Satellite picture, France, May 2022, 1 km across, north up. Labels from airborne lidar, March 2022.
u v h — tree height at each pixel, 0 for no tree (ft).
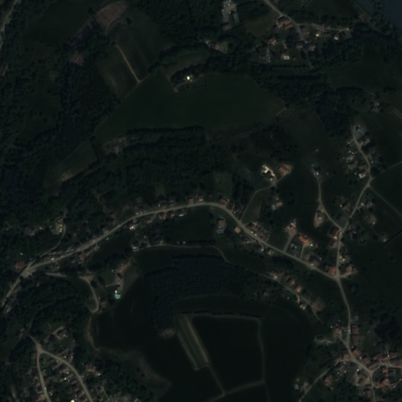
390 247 0
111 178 91
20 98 68
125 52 0
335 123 62
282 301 0
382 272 0
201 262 51
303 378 0
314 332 0
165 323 43
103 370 32
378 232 0
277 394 0
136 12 0
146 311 0
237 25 0
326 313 0
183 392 0
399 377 0
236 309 0
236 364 0
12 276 66
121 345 0
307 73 0
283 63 0
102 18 0
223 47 0
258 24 0
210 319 0
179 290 42
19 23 28
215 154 36
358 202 0
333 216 22
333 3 0
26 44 0
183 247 0
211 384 0
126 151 54
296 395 0
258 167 0
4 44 29
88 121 27
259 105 0
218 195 0
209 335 0
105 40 76
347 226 0
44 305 64
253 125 0
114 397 0
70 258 0
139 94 0
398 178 0
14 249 42
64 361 0
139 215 0
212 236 0
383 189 0
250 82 0
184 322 0
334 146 0
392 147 0
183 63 0
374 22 36
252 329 0
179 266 45
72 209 73
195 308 0
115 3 0
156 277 47
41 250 28
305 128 0
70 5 0
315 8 0
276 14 0
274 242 0
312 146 0
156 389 0
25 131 0
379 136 0
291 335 0
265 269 0
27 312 67
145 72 0
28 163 85
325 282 0
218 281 45
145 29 0
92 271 56
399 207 0
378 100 60
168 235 0
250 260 0
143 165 73
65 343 0
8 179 87
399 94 0
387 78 0
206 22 52
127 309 0
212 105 0
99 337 0
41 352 0
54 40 0
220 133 0
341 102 101
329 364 20
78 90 98
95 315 0
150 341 0
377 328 0
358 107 0
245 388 0
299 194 0
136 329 0
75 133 44
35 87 0
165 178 88
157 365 0
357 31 75
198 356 0
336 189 0
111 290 0
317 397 0
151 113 0
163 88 0
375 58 0
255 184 0
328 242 0
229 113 0
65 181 0
